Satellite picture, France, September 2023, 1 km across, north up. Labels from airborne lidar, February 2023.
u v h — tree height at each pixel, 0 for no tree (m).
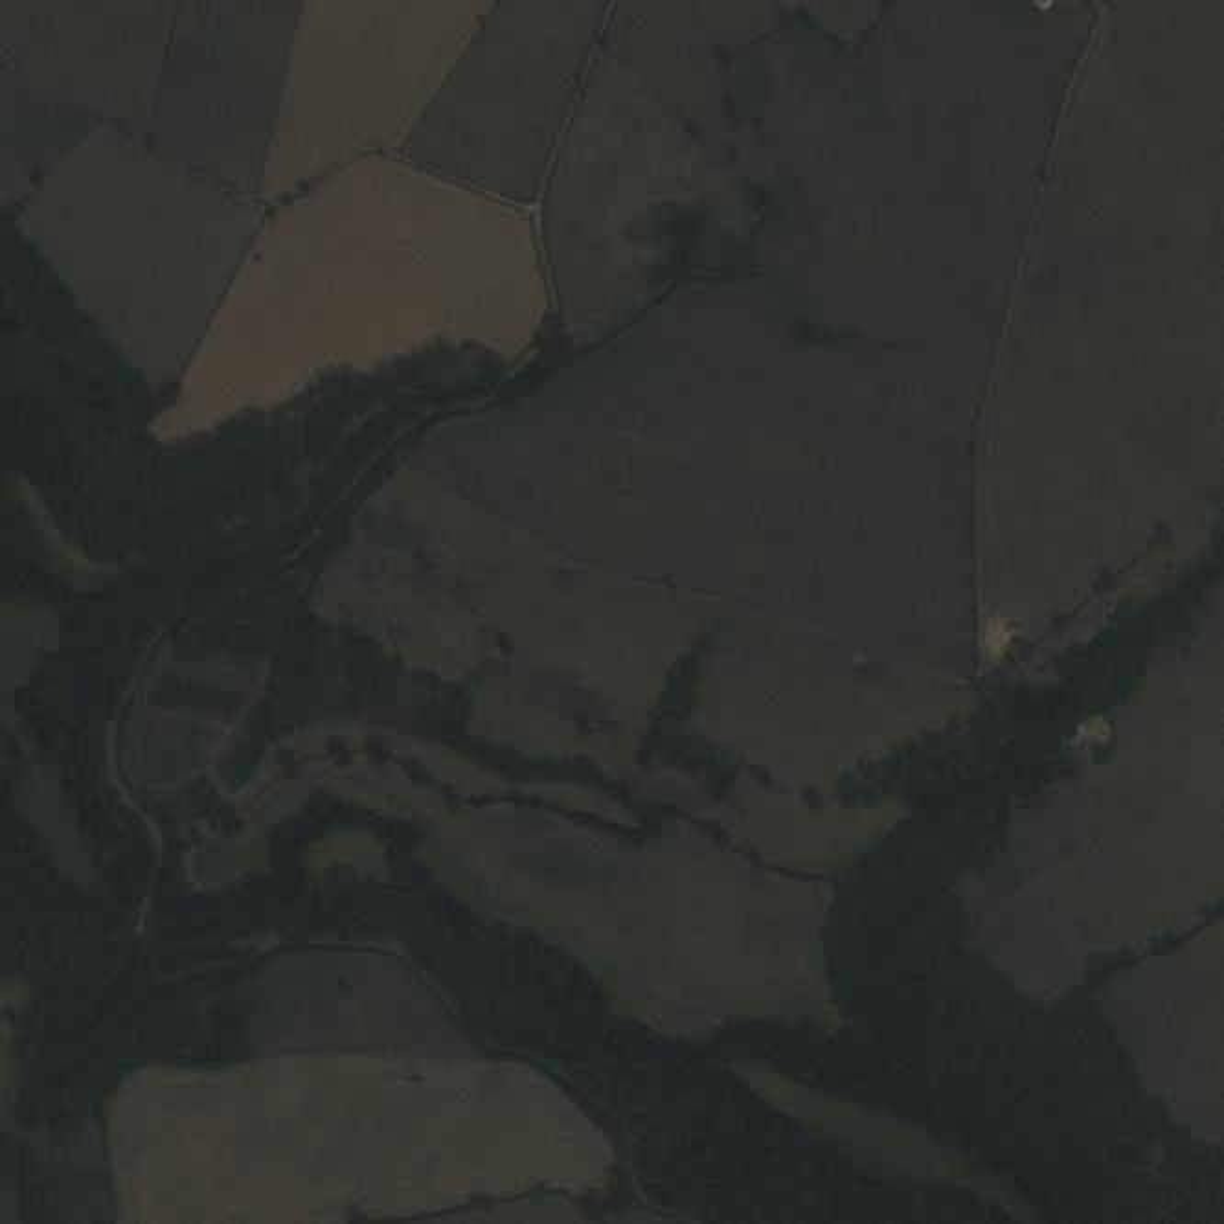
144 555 17
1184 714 0
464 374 0
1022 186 0
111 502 7
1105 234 0
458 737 17
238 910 24
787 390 0
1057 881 0
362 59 0
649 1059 20
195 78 0
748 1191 10
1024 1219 0
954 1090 15
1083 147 0
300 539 7
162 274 0
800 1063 18
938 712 0
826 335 0
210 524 20
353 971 0
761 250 0
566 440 0
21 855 28
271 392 0
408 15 0
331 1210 0
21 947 20
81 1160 0
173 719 0
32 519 0
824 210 0
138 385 12
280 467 14
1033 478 0
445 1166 0
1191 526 0
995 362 0
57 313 13
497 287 0
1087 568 0
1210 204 0
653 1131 18
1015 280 0
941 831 17
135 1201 0
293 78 0
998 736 17
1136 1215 19
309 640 15
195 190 0
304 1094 0
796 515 0
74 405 7
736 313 0
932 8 0
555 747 0
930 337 0
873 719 0
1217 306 0
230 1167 0
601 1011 18
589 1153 0
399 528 0
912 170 0
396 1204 0
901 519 0
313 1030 0
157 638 0
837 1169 22
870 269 0
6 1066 0
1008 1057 12
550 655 0
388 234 0
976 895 0
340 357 0
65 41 0
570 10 0
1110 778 0
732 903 0
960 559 0
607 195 0
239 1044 0
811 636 0
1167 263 0
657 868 0
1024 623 0
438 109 0
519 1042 11
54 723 12
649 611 0
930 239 0
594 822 8
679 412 0
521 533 0
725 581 0
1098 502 0
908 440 0
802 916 0
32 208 0
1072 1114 17
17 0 0
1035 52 0
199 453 19
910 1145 0
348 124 0
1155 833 0
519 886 0
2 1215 0
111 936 9
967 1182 0
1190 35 0
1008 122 0
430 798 0
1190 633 13
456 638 0
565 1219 0
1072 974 0
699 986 0
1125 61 0
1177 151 0
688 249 0
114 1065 10
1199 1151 11
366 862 0
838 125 0
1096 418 0
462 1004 20
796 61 0
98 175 0
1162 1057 0
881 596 0
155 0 0
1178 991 0
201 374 0
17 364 0
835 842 0
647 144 0
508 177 0
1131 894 0
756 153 0
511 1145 0
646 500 0
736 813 0
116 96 0
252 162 0
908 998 9
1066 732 11
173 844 15
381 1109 0
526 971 24
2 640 0
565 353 18
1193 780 0
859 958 11
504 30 0
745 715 0
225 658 0
